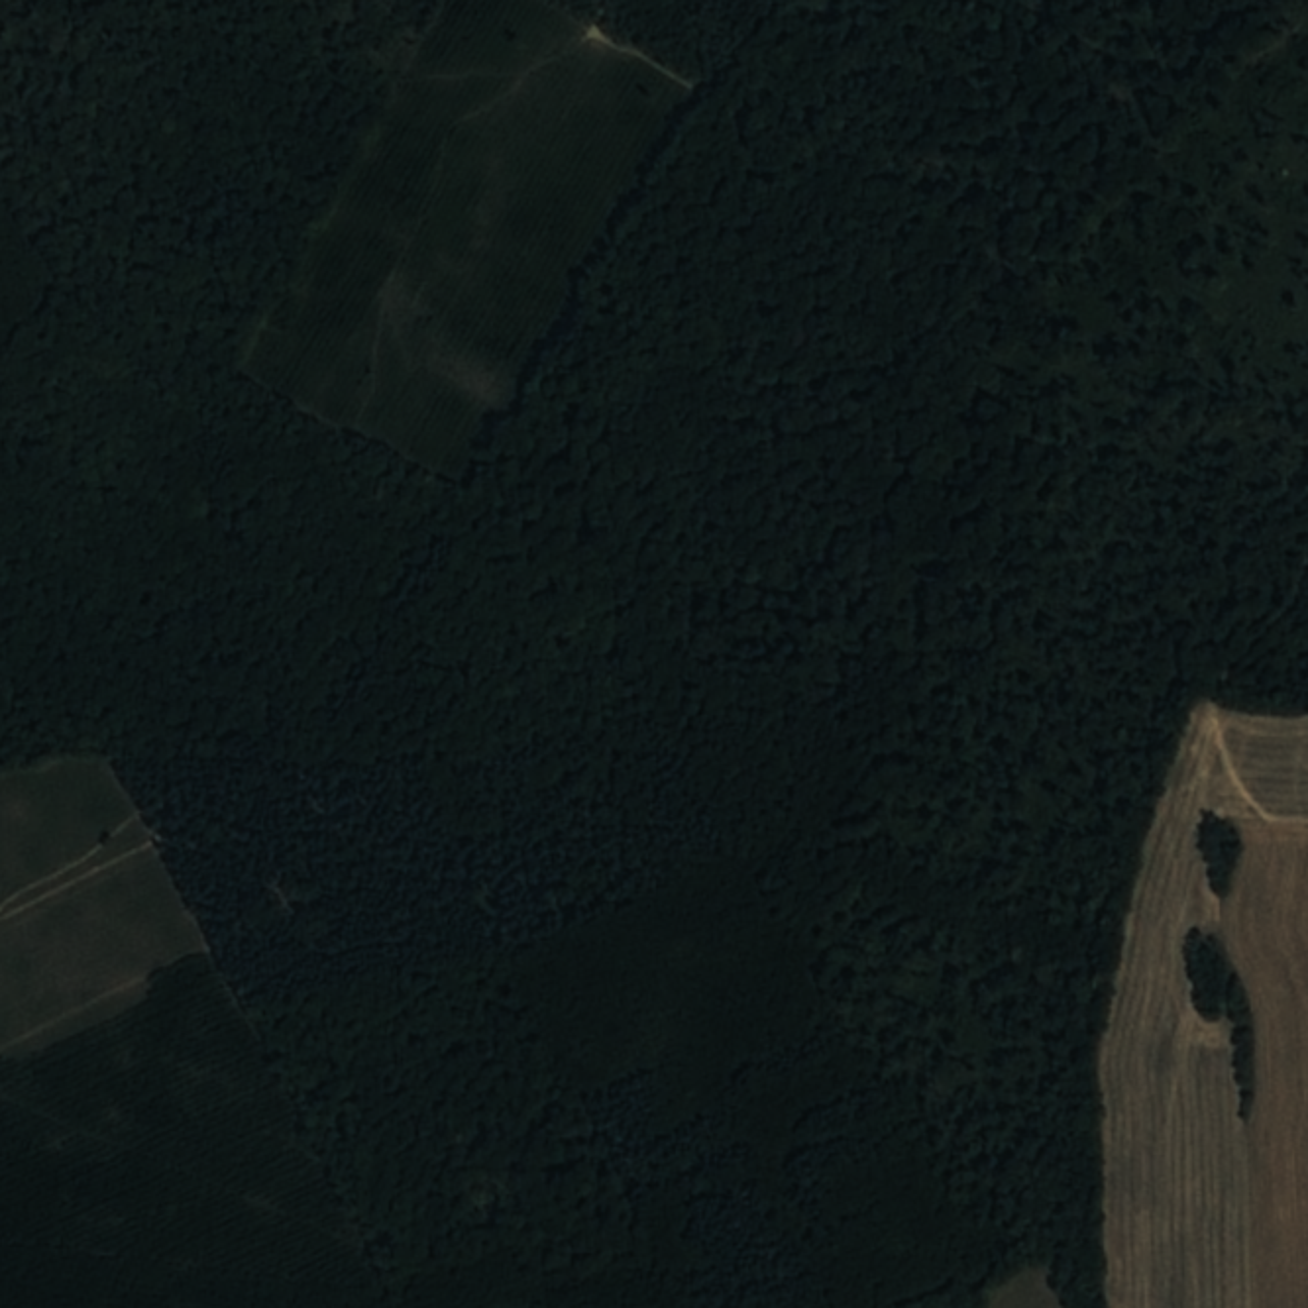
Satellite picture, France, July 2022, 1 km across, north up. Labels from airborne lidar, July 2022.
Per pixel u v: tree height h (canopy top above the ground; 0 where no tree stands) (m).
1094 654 22
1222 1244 0
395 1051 22
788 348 25
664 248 28
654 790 22
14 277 11
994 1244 6
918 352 25
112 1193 6
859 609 33
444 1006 21
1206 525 20
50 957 0
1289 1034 0
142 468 22
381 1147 23
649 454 27
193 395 21
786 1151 12
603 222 0
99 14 21
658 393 27
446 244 0
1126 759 8
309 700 25
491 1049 20
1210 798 0
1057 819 0
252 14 20
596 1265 15
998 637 23
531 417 20
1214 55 29
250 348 19
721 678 26
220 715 26
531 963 15
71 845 0
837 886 24
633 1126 20
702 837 18
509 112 0
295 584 18
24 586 25
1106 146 31
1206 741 0
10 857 0
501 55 0
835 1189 13
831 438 32
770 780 26
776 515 30
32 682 24
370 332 0
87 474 22
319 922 20
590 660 22
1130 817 21
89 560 23
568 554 22
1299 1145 0
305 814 18
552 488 22
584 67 0
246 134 24
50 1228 6
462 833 14
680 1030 13
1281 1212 0
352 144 23
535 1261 9
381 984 18
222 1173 6
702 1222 27
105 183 21
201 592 21
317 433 20
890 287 27
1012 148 25
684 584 25
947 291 24
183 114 21
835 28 24
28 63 20
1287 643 7
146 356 21
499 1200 22
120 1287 6
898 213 26
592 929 14
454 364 0
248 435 20
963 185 23
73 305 21
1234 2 25
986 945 13
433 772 19
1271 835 0
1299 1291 0
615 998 13
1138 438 20
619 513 28
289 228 23
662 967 12
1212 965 16
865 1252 10
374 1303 8
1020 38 25
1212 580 20
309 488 20
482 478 20
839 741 25
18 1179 6
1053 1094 19
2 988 0
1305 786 0
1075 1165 20
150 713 22
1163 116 28
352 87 24
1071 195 30
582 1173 25
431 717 18
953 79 24
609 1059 14
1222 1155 0
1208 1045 0
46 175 22
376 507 19
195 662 22
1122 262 7
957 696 25
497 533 22
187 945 0
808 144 23
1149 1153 0
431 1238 23
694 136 27
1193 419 23
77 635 28
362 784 23
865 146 20
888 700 26
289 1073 18
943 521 23
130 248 19
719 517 29
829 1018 10
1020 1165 22
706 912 15
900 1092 10
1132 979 0
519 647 21
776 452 26
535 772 20
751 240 29
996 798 26
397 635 20
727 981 13
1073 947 12
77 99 24
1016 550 25
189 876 19
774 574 30
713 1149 16
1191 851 0
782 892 25
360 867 27
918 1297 9
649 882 19
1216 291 21
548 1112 8
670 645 22
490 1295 7
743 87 22
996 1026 22
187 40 23
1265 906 0
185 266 21
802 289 26
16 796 0
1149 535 24
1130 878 15
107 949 0
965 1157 13
